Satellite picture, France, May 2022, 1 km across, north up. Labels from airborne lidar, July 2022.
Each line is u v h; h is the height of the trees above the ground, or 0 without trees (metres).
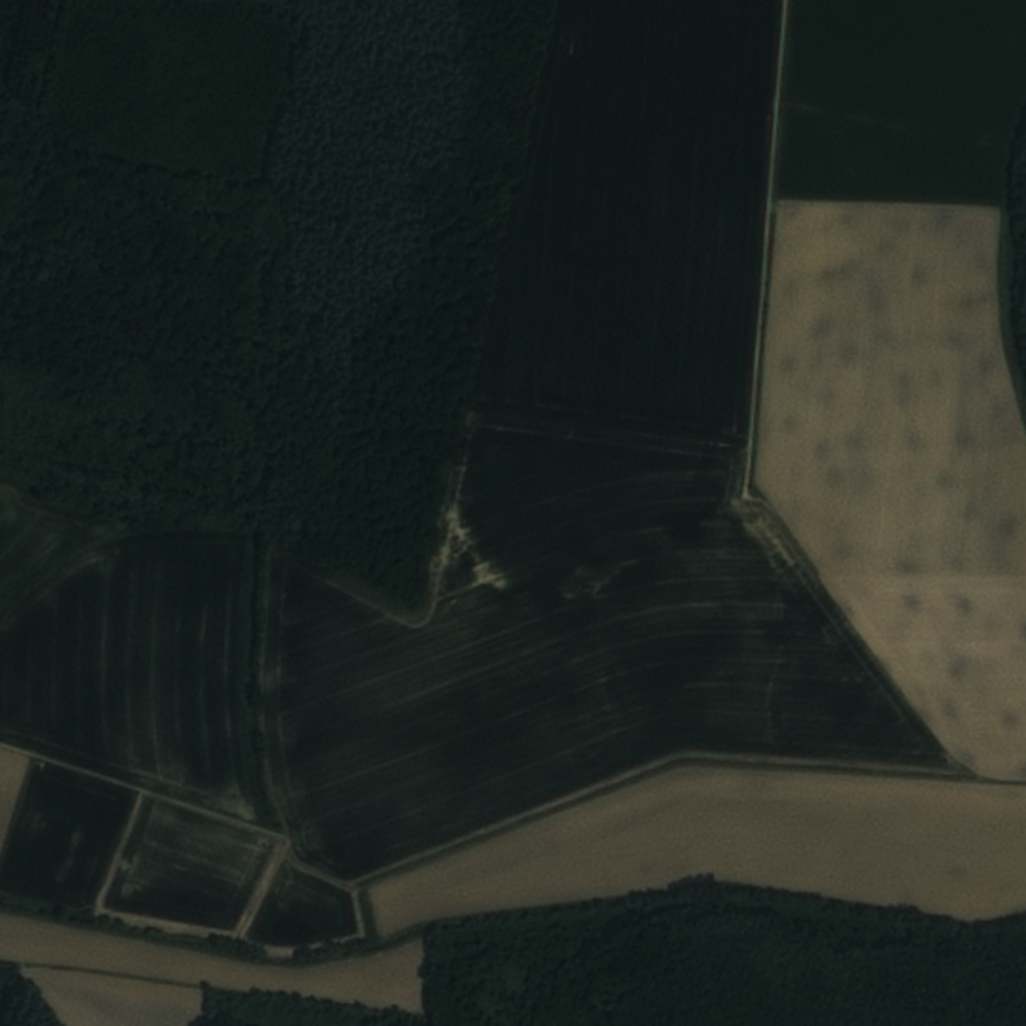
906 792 0
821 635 0
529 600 0
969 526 0
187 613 0
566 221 0
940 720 0
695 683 0
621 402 0
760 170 0
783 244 0
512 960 8
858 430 0
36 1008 30
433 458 21
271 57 13
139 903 0
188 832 0
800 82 0
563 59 0
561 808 0
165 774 0
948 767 0
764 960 25
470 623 0
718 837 0
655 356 0
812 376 0
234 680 0
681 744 0
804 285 0
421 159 28
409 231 33
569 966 14
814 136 0
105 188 27
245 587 0
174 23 13
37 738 0
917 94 0
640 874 0
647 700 0
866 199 0
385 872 0
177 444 20
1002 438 0
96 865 0
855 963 27
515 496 0
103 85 11
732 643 0
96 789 0
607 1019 15
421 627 0
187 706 0
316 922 0
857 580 0
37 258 18
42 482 20
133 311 31
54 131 13
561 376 0
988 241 0
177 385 27
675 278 0
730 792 0
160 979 0
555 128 0
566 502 0
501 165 25
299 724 0
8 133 17
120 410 28
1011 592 0
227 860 0
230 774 0
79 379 25
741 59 0
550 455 0
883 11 0
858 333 0
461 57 27
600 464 0
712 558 0
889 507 0
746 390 0
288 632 0
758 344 0
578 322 0
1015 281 9
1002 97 0
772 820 0
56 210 31
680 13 0
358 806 0
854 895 0
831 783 0
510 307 0
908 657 0
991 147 0
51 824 0
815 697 0
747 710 0
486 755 0
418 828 0
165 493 8
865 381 0
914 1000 21
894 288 0
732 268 0
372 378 24
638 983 22
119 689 0
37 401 23
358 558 20
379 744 0
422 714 0
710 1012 21
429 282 25
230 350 30
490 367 0
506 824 0
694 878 0
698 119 0
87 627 0
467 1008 12
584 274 0
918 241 0
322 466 22
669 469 0
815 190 0
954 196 0
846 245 0
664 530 0
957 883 0
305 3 26
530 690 0
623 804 0
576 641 0
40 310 32
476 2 21
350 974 0
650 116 0
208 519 22
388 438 28
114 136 11
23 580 0
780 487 0
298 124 31
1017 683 0
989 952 20
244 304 31
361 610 0
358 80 26
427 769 0
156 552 0
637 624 0
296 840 0
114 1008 0
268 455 19
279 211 24
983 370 0
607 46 0
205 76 12
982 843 0
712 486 0
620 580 0
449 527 0
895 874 0
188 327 33
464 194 27
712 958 21
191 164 12
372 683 0
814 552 0
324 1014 7
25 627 0
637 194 0
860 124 0
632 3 0
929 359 0
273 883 0
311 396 21
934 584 0
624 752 0
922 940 19
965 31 0
